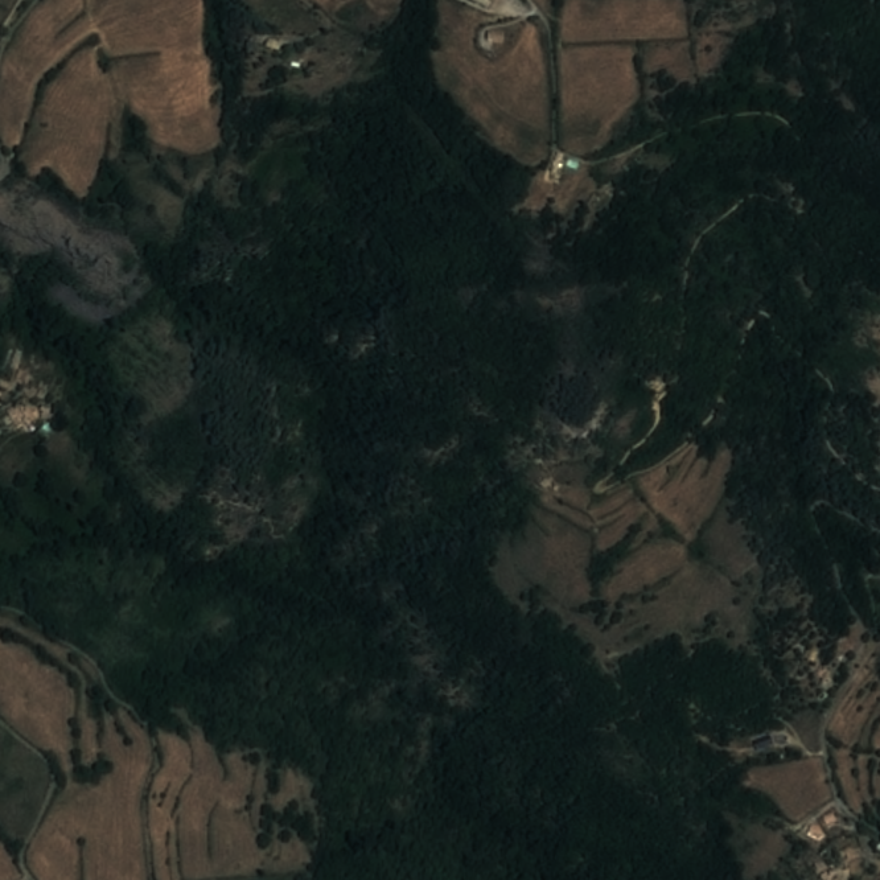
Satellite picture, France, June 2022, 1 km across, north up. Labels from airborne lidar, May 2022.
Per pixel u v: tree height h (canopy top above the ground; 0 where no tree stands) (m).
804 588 7
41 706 0
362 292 8
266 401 16
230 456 18
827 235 12
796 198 7
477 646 11
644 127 10
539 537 0
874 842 8
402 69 18
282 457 15
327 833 7
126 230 9
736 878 15
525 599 11
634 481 0
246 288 24
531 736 16
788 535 10
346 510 11
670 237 7
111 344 8
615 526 0
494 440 10
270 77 10
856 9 12
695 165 7
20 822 0
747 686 8
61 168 0
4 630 7
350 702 11
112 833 0
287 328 14
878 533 7
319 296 29
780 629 10
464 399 15
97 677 0
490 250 13
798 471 8
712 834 7
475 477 8
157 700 16
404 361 8
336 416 17
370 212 14
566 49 0
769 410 10
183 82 0
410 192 10
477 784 13
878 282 9
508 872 10
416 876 12
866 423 7
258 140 15
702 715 6
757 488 11
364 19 0
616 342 9
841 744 6
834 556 10
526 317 7
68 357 13
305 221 19
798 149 11
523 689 8
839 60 10
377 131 30
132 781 0
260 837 10
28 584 16
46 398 8
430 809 16
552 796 13
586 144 0
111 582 10
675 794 8
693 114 9
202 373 18
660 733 8
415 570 11
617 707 11
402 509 9
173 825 0
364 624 17
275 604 15
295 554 9
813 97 7
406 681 9
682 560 0
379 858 31
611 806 9
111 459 18
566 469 0
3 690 0
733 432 10
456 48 0
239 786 0
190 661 14
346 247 21
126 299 7
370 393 13
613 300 10
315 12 6
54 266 13
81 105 0
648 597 7
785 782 0
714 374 10
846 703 0
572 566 0
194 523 7
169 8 0
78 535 9
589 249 12
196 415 0
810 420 13
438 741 20
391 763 9
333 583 13
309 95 0
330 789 11
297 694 11
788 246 7
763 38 6
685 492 0
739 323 11
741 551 0
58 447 0
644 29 0
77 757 12
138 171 0
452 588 11
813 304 9
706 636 6
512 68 0
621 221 12
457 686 13
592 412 11
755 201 7
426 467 8
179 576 15
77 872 0
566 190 0
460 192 6
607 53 0
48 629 11
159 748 8
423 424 10
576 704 9
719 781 10
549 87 0
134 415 13
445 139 11
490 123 0
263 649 6
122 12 0
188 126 0
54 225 0
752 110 11
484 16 0
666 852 12
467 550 11
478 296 6
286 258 16
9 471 0
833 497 13
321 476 7
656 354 9
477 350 12
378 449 19
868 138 17
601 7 0
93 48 0
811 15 7
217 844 0
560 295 0
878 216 11
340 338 10
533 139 0
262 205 11
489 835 17
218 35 7
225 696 9
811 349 8
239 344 10
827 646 12
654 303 7
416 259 10
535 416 9
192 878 0
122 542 31
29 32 0
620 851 14
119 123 0
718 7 7
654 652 9
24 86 0
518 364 10
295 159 0
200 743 0
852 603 10
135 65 0
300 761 10
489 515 13
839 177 9
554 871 20
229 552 10
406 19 13
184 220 7
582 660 7
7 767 0
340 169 8
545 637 11
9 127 0
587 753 6
